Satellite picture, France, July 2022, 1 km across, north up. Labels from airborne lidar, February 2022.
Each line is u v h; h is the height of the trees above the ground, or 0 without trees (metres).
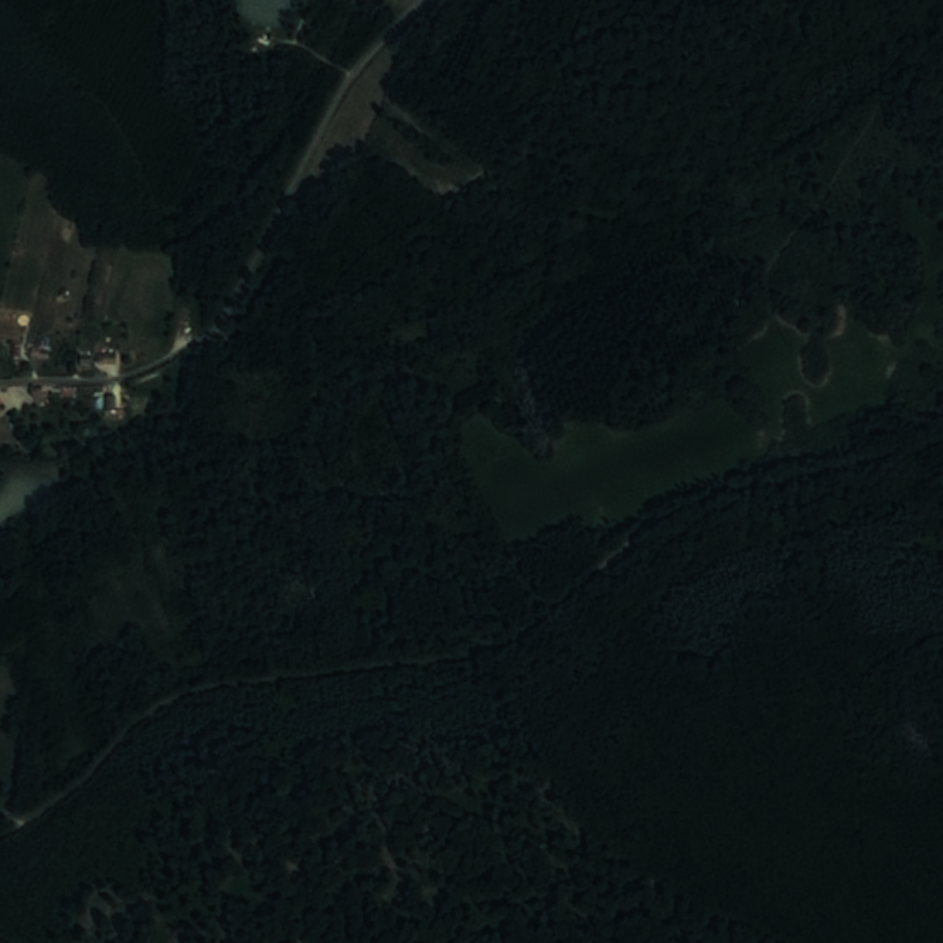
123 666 24
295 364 19
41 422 0
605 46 28
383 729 21
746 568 13
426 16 18
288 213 29
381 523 23
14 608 7
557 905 25
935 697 15
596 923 23
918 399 8
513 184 21
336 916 27
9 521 6
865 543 9
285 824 23
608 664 15
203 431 22
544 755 22
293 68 7
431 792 23
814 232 16
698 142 22
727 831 17
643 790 16
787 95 16
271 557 17
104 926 25
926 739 16
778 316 7
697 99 24
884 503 15
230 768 27
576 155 15
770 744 15
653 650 15
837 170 0
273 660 23
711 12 28
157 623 0
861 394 0
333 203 27
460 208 28
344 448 21
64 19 6
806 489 27
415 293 27
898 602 13
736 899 16
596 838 19
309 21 9
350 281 7
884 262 22
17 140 16
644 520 6
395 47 23
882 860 11
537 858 23
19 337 0
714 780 15
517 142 21
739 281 8
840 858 14
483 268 26
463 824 26
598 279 11
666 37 26
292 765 8
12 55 18
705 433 0
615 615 18
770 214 6
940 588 12
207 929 22
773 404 0
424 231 20
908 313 7
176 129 6
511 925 26
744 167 16
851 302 6
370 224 7
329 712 10
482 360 6
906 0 25
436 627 25
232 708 8
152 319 0
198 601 22
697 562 24
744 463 6
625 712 14
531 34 16
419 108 25
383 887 23
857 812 12
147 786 17
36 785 19
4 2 12
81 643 8
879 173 9
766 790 15
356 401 23
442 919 21
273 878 28
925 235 0
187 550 18
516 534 0
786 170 19
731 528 25
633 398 15
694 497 22
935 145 18
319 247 22
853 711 8
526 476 0
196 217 23
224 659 18
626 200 27
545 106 15
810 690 15
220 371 24
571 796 19
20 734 22
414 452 23
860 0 25
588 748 20
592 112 20
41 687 7
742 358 0
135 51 5
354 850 23
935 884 11
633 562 16
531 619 15
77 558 23
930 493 12
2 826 22
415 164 0
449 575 20
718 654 14
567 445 0
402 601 23
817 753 16
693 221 19
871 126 0
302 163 0
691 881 16
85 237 11
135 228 15
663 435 0
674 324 20
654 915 30
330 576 20
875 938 12
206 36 28
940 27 26
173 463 23
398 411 33
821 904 15
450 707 10
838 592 10
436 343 17
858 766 16
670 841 18
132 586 0
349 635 19
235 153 15
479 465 0
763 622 16
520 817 14
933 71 20
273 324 20
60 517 20
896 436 25
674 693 15
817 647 11
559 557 23
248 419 0
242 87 21
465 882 25
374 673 9
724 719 14
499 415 7
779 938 16
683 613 14
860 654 12
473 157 14
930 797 12
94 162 18
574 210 8
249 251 0
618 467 0
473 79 25
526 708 13
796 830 16
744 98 27
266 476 26
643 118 22
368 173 16
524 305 18
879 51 8
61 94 16
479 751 26
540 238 23
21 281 0
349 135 0
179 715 11
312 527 20
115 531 25
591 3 9
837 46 18
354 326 28
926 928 11
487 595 21
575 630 18
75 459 12
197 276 22
